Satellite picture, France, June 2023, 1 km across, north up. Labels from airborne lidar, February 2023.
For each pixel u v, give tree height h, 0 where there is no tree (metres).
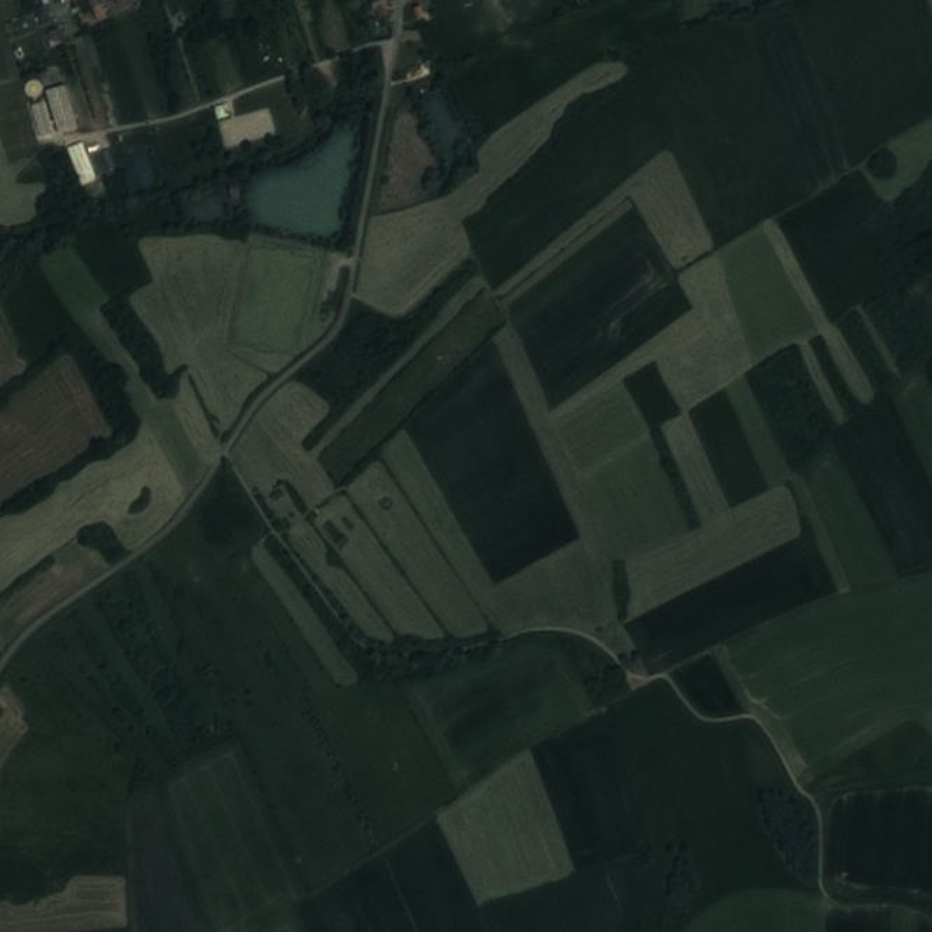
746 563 0
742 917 0
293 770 0
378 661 18
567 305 0
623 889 0
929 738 0
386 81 0
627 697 0
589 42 0
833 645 0
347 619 13
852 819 0
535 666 0
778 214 0
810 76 0
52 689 0
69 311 0
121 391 6
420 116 9
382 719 0
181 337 0
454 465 0
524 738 0
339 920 0
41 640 0
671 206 0
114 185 20
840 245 0
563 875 0
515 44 0
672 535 0
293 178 0
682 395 0
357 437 0
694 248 0
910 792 0
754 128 0
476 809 0
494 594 0
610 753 0
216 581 0
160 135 0
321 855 0
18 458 0
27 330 0
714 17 6
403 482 0
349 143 0
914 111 0
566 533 0
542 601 0
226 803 0
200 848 0
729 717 0
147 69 0
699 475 0
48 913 0
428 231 0
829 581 0
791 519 0
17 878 0
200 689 0
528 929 0
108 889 0
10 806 0
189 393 0
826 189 0
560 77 0
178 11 0
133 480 0
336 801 0
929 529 0
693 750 0
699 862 0
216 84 0
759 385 7
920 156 0
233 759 0
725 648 0
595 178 0
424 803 0
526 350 0
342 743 0
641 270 0
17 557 0
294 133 0
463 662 8
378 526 0
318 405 0
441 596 0
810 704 0
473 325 0
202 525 0
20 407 0
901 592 0
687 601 0
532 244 0
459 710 0
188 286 0
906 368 6
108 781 0
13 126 0
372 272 0
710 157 0
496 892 0
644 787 0
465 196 0
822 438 8
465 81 0
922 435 0
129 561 0
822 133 0
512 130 0
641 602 0
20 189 0
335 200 0
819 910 0
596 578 0
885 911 0
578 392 0
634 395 0
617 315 0
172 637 0
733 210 0
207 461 0
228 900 0
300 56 0
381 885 0
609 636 0
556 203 0
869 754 0
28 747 0
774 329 0
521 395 0
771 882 0
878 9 0
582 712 0
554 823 0
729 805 0
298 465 0
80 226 15
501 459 0
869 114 0
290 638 0
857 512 0
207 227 6
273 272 0
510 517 0
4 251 18
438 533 0
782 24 0
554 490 0
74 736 0
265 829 0
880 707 0
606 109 0
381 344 17
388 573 0
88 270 0
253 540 0
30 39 0
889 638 0
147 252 0
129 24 0
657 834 0
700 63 0
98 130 0
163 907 0
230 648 0
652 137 0
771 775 0
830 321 0
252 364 0
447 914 0
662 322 0
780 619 0
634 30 0
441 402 0
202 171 0
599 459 0
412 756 0
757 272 0
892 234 0
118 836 0
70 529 0
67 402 0
